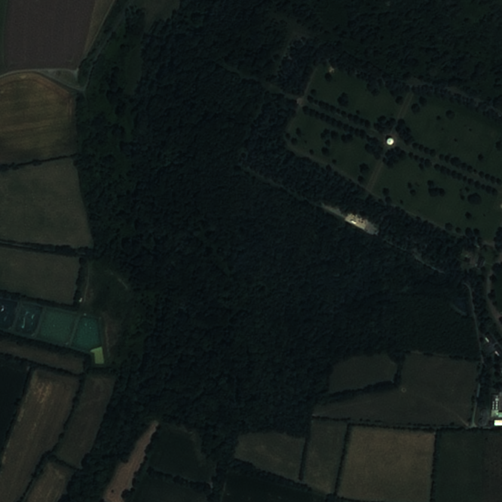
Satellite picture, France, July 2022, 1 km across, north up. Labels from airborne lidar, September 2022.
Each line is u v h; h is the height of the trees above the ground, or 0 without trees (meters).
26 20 0
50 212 0
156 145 11
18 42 0
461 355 9
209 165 23
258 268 17
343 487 0
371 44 10
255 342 25
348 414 0
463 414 0
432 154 11
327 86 0
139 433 7
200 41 20
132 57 0
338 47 10
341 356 14
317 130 0
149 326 10
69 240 0
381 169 0
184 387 17
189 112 24
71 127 0
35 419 0
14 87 0
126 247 19
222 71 14
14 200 0
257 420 21
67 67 0
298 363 22
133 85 0
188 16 9
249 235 16
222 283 16
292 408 15
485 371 13
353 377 0
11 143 0
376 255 16
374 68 10
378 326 12
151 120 27
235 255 15
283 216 18
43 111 0
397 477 0
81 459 0
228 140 23
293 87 13
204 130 26
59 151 0
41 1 0
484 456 0
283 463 0
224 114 20
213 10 19
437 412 0
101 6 0
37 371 0
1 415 0
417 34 8
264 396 21
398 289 11
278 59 15
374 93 13
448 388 0
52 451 6
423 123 0
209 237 15
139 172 23
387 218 16
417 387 0
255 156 15
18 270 0
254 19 17
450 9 12
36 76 0
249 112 11
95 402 0
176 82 8
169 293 16
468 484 0
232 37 19
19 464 0
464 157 0
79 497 20
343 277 8
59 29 0
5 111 0
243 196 19
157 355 22
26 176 0
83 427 0
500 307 0
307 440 7
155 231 23
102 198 13
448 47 10
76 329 0
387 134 0
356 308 13
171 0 0
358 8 7
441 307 10
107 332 0
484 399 14
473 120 0
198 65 16
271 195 13
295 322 23
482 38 8
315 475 0
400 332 9
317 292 12
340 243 14
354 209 13
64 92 0
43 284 0
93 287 0
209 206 23
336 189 22
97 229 16
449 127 0
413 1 7
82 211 0
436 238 12
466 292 9
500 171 0
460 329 11
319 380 15
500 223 0
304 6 8
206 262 25
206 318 27
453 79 9
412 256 19
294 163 12
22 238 0
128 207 18
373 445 0
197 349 21
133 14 15
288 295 17
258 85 9
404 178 0
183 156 21
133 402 23
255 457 0
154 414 19
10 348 0
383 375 0
